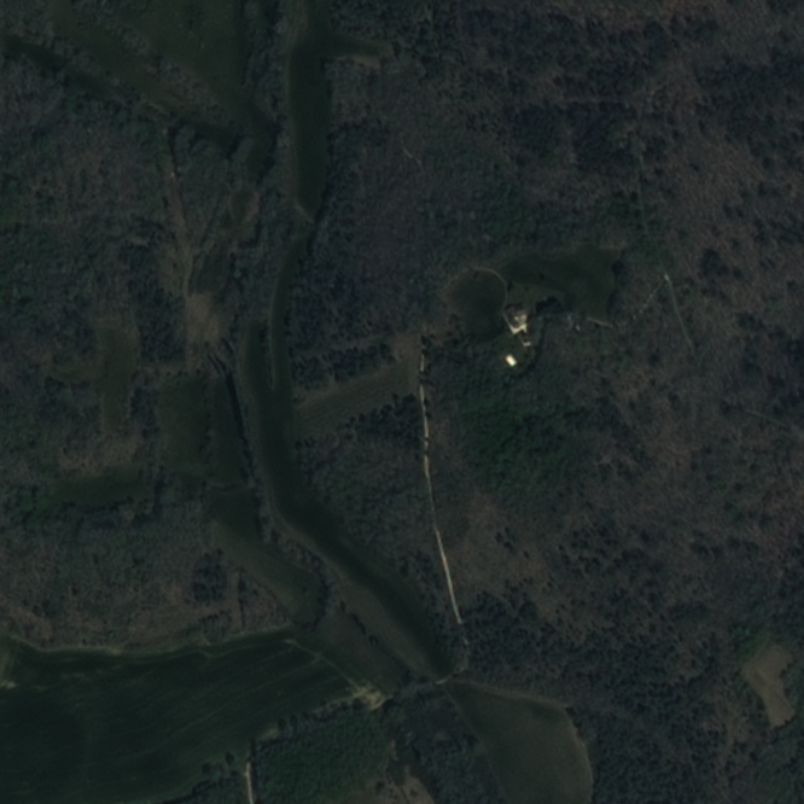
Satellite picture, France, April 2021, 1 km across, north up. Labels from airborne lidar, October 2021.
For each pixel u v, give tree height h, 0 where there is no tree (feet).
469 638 40
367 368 41
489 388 63
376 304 56
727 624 35
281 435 0
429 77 24
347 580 0
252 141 43
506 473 64
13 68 83
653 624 21
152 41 0
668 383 29
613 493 51
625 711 50
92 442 60
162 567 55
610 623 33
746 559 58
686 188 35
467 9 45
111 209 51
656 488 42
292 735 69
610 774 27
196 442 0
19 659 0
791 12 64
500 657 41
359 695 0
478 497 21
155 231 40
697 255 47
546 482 49
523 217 51
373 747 84
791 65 50
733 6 40
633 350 45
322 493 62
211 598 57
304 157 0
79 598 59
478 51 51
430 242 38
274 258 26
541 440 86
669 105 22
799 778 71
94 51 0
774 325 49
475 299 0
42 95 54
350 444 54
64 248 39
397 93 44
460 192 46
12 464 53
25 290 72
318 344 48
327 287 37
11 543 64
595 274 0
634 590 49
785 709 0
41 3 57
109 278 52
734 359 54
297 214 43
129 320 61
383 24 52
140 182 60
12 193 76
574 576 54
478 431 50
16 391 68
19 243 41
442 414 27
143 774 0
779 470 43
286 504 0
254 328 0
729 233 44
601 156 72
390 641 0
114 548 82
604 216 33
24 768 0
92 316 45
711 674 36
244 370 0
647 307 42
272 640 0
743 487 27
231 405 0
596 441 47
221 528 0
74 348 77
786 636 67
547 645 47
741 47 51
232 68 0
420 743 32
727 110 66
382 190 31
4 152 51
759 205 48
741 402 58
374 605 0
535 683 51
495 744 0
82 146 85
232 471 0
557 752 0
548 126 82
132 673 0
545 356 58
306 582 0
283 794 59
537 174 60
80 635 48
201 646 0
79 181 39
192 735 0
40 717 0
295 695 0
